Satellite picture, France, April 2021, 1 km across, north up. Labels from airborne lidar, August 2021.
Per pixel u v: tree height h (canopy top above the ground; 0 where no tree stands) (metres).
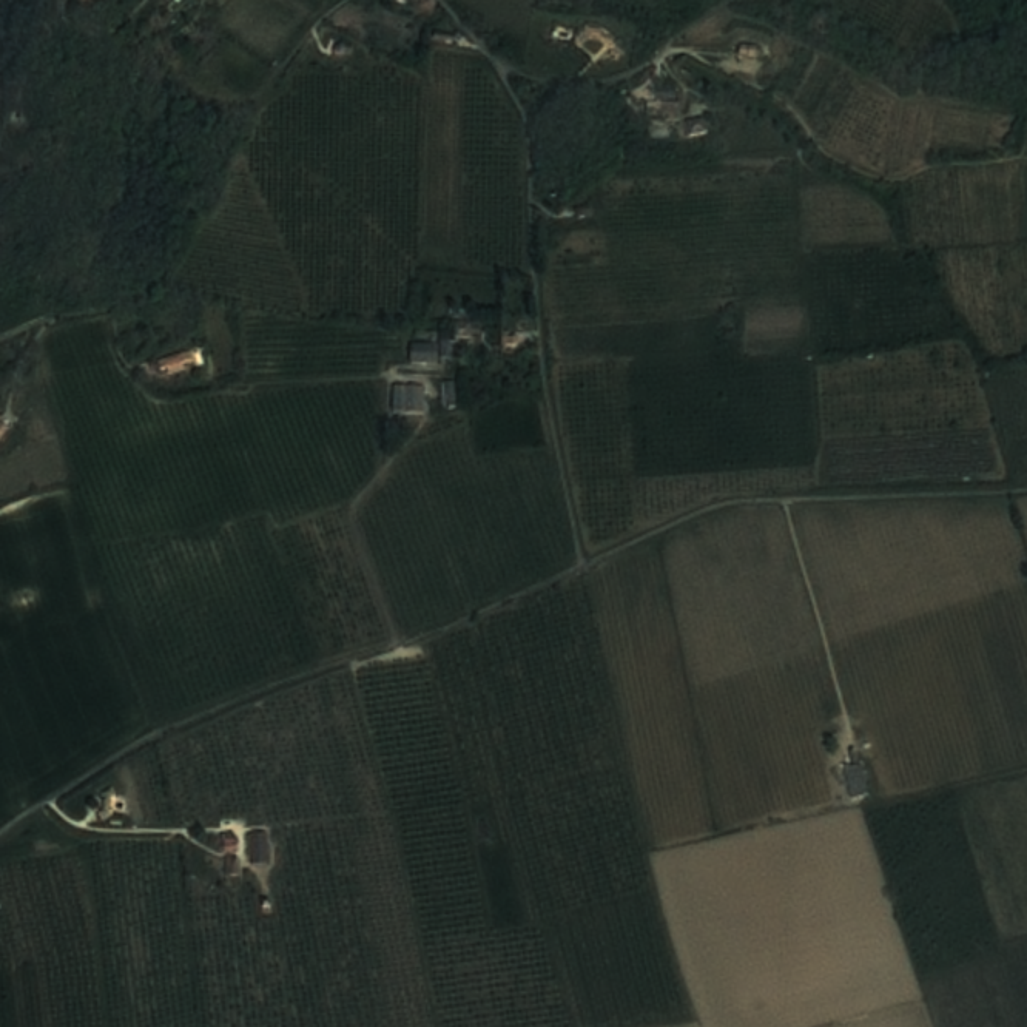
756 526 0
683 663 0
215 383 9
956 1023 0
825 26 8
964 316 0
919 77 15
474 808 0
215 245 5
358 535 0
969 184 0
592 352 0
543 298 0
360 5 6
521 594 0
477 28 14
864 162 0
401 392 0
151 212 19
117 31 9
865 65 9
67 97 15
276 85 7
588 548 0
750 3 6
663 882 0
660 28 13
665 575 0
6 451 0
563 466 0
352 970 5
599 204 0
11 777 0
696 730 0
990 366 8
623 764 0
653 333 0
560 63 0
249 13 0
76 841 0
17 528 0
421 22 12
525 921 0
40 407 0
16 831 0
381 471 0
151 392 13
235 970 6
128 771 0
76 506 0
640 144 11
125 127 24
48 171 12
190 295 17
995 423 10
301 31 0
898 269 0
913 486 6
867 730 0
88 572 0
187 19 20
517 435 0
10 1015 0
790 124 8
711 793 0
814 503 0
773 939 0
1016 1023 0
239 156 21
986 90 13
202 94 8
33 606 0
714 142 12
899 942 0
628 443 0
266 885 0
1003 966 0
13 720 0
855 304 0
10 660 0
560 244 6
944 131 0
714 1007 0
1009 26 16
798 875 0
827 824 0
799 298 0
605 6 15
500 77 0
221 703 0
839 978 0
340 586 6
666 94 0
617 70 0
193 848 0
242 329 7
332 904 6
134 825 0
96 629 0
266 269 5
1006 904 0
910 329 0
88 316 6
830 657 0
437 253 0
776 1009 0
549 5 10
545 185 19
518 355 7
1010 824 0
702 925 0
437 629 0
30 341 9
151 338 22
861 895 0
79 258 15
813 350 0
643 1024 0
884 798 0
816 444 0
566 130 22
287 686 0
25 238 6
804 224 0
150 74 25
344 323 12
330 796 5
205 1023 6
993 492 0
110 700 0
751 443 0
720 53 0
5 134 0
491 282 8
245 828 0
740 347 0
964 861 0
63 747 0
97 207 19
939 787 0
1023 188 0
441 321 8
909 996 0
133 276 13
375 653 0
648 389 0
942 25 0
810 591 0
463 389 10
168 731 8
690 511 0
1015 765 0
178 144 20
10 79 10
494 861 0
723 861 0
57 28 20
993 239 0
